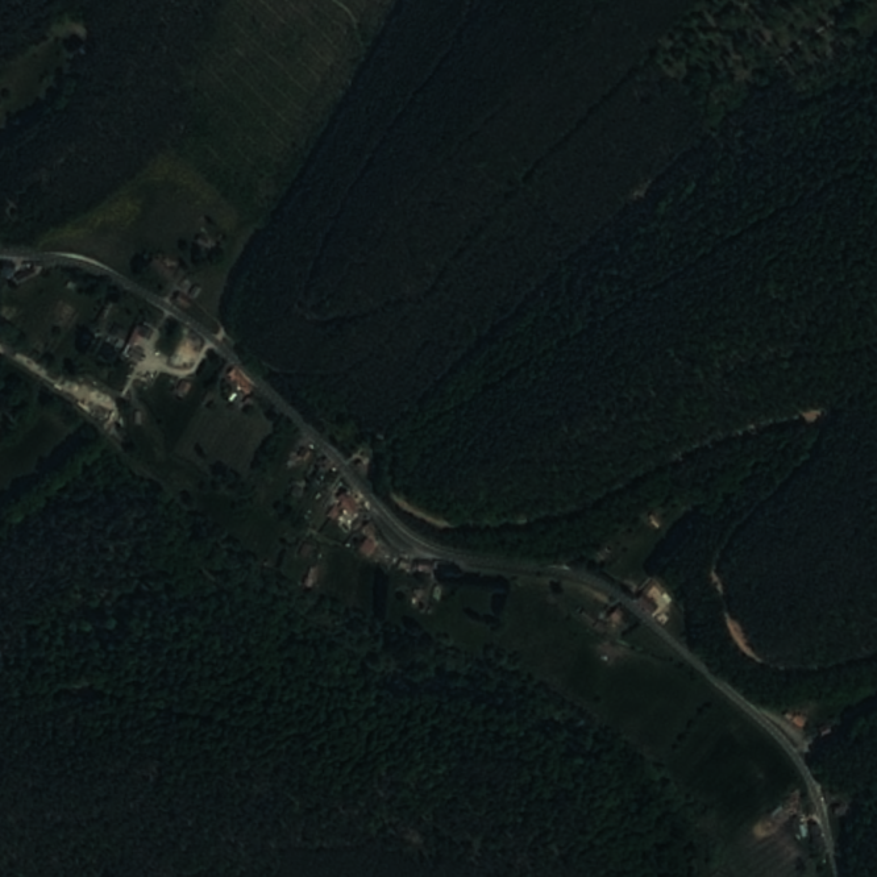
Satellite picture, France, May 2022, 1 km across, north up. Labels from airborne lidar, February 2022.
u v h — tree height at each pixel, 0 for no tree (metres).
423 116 19
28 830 18
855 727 22
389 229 17
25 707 27
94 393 0
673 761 0
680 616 0
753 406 21
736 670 23
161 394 0
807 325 20
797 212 26
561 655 0
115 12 20
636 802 18
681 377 22
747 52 32
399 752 28
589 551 15
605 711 0
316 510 0
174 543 25
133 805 24
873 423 26
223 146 0
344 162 22
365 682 35
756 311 21
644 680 0
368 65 22
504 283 23
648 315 24
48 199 17
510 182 30
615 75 18
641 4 14
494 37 23
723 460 27
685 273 24
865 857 28
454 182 22
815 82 26
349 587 0
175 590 29
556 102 20
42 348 0
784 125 26
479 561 0
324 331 20
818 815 0
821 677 29
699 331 25
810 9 29
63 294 0
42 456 0
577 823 26
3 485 0
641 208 23
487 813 26
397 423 24
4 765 25
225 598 26
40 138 22
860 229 22
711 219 27
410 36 24
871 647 22
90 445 31
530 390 24
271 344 20
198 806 22
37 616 27
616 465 20
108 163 18
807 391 23
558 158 23
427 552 0
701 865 0
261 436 0
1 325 24
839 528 27
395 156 20
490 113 16
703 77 27
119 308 0
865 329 22
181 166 0
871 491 22
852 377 26
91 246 0
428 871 17
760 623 15
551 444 18
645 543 0
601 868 22
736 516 26
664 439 22
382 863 16
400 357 24
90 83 20
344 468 0
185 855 19
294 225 24
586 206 21
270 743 26
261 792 24
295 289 19
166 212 0
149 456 0
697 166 25
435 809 24
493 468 15
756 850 0
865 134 28
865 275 22
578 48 19
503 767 24
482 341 25
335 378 22
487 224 28
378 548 0
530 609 0
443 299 24
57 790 23
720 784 0
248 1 0
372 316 28
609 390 22
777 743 0
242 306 25
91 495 25
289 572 0
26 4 24
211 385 6
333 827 23
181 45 19
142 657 29
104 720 23
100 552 29
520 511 21
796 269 21
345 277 17
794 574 22
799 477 26
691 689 0
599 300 29
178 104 18
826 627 20
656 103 23
